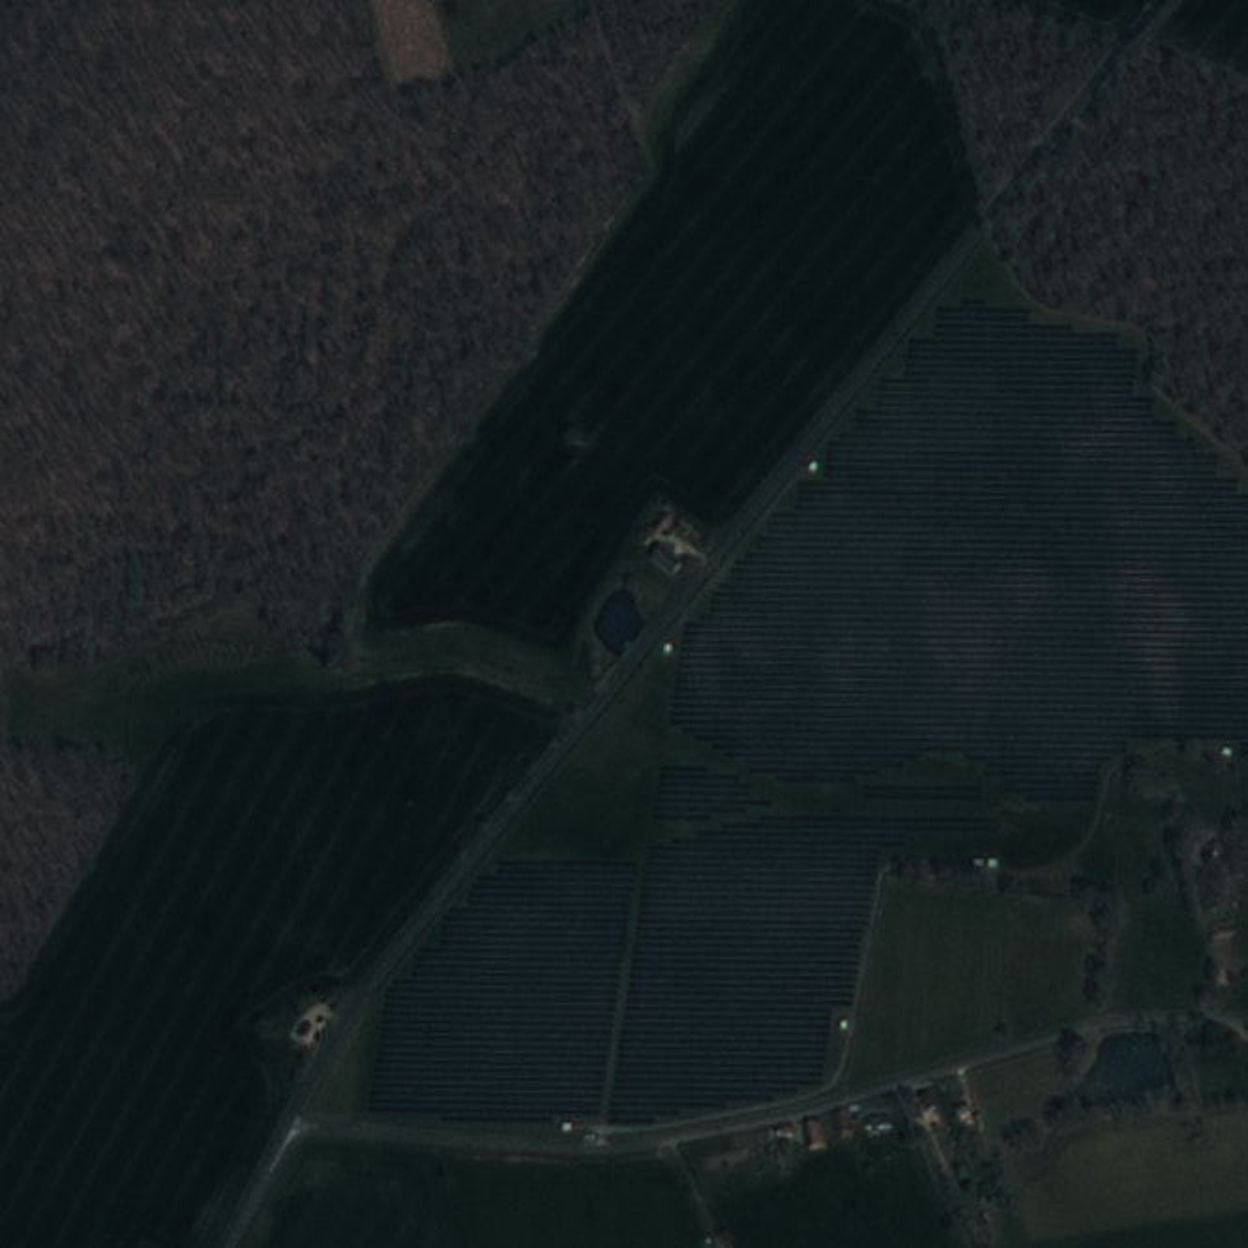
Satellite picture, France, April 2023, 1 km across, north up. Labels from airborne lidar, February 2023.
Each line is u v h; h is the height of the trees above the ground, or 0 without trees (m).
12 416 20
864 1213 0
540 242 22
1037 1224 0
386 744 0
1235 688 0
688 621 0
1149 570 0
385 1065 0
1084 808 0
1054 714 0
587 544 0
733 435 0
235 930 0
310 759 0
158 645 16
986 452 0
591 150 19
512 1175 0
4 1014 0
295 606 23
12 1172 0
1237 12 0
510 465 0
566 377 0
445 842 0
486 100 19
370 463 19
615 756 0
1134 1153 0
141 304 21
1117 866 0
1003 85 20
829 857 0
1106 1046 0
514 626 0
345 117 20
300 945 0
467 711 0
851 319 0
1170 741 0
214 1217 0
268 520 19
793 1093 0
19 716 0
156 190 21
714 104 0
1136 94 18
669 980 0
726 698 0
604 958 0
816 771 0
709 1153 0
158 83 24
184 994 0
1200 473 0
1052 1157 0
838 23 0
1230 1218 0
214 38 19
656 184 0
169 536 17
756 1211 0
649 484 0
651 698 0
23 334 22
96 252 21
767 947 0
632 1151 0
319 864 0
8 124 23
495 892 0
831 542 0
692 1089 0
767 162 0
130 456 17
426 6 0
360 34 21
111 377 20
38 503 20
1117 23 0
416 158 18
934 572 0
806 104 0
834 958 0
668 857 0
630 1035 0
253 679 0
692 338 0
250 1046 0
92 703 0
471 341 22
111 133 21
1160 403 0
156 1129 0
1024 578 0
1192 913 16
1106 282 22
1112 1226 0
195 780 0
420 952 0
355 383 20
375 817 0
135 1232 0
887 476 0
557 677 0
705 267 0
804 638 0
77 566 10
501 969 0
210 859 0
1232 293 19
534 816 0
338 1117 0
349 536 18
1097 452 0
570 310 0
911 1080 0
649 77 16
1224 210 19
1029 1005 0
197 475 21
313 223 19
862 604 0
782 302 0
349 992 12
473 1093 0
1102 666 0
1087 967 0
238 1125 0
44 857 17
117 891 0
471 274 18
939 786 0
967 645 0
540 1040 0
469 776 0
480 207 17
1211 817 0
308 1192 0
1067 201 22
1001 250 13
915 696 0
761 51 0
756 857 0
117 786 19
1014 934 0
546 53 15
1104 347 0
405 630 0
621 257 0
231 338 16
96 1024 0
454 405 19
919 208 0
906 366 0
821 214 0
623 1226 0
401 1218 0
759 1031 0
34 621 19
